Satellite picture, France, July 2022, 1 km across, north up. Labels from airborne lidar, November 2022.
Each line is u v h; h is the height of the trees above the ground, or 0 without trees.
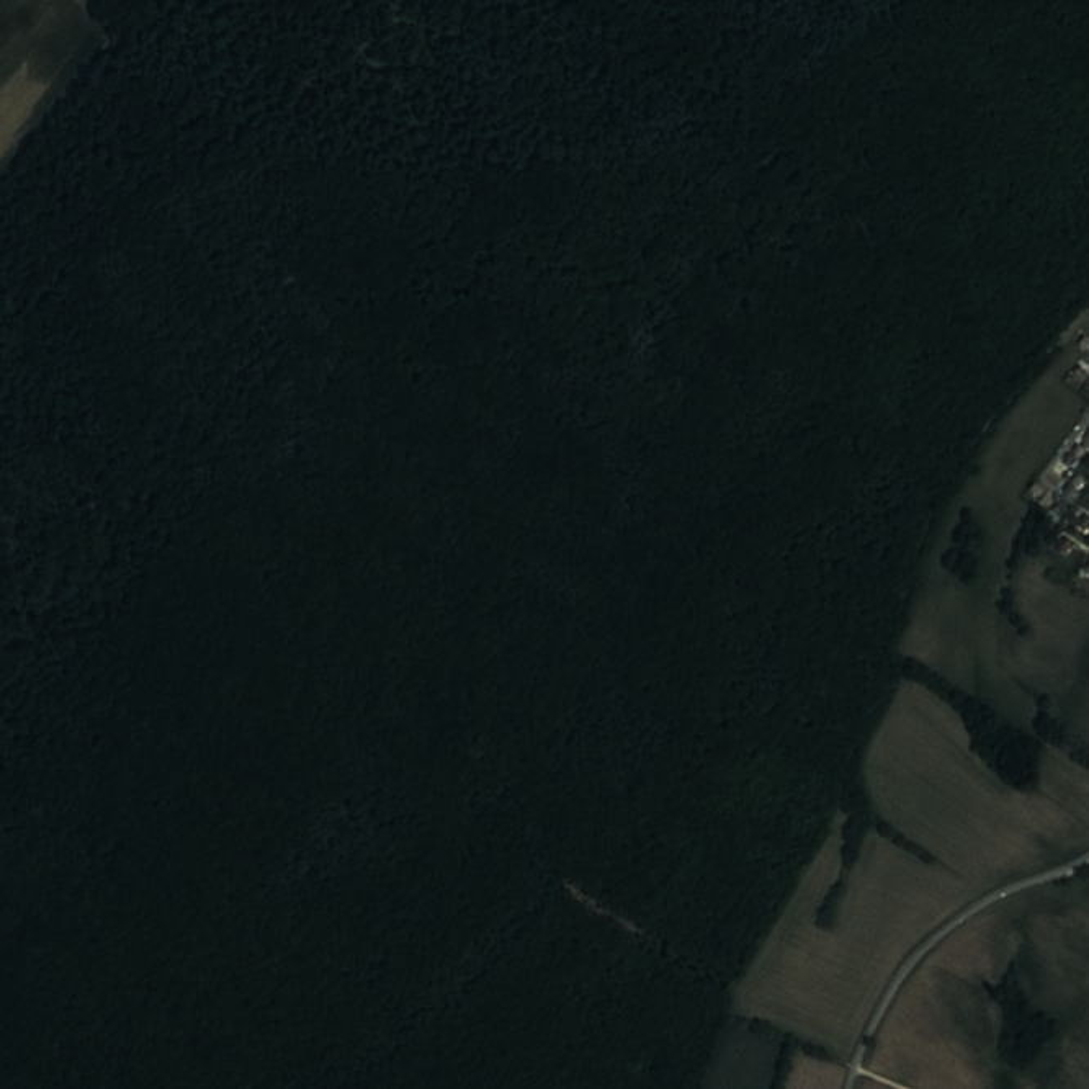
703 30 16
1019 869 0
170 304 16
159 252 14
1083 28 24
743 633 24
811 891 0
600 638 25
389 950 21
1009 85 20
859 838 12
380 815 20
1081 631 0
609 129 21
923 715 0
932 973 0
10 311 20
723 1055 0
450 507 26
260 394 18
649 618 26
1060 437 0
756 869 23
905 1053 0
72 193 15
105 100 23
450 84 18
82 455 16
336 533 26
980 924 0
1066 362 0
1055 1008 0
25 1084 23
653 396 26
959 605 0
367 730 22
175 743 27
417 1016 16
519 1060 22
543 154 28
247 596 25
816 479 25
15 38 0
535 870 20
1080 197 17
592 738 21
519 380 20
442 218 21
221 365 16
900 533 20
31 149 21
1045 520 16
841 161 24
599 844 22
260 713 22
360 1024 23
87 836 21
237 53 12
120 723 21
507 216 27
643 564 25
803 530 18
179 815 27
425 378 23
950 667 0
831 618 19
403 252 24
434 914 23
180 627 22
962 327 21
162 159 22
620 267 23
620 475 24
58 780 18
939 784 0
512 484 22
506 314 21
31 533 16
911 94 22
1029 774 7
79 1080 21
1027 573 0
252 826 25
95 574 14
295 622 25
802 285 25
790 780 15
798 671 17
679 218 23
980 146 19
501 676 25
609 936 21
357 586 22
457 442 23
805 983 0
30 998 21
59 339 21
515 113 24
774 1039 11
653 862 23
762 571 23
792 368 20
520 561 25
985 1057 0
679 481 25
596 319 25
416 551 24
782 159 26
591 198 23
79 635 19
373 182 20
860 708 16
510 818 26
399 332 26
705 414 23
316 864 21
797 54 18
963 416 21
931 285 22
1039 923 0
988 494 0
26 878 18
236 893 20
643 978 23
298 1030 22
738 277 25
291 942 25
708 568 24
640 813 20
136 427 19
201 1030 23
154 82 24
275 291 17
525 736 26
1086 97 20
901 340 20
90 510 13
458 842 22
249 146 23
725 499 25
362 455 21
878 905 0
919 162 28
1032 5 19
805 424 12
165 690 23
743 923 24
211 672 23
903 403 17
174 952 26
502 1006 24
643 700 22
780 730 24
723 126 27
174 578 19
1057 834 0
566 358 21
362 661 22
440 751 24
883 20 17
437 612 20
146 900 26
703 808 18
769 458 26
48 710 19
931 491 22
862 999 0
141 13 27
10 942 25
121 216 19
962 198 23
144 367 17
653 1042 23
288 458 20
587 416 22
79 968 24
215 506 17
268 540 22
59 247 19
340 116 9
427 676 26
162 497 18
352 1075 16
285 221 17
